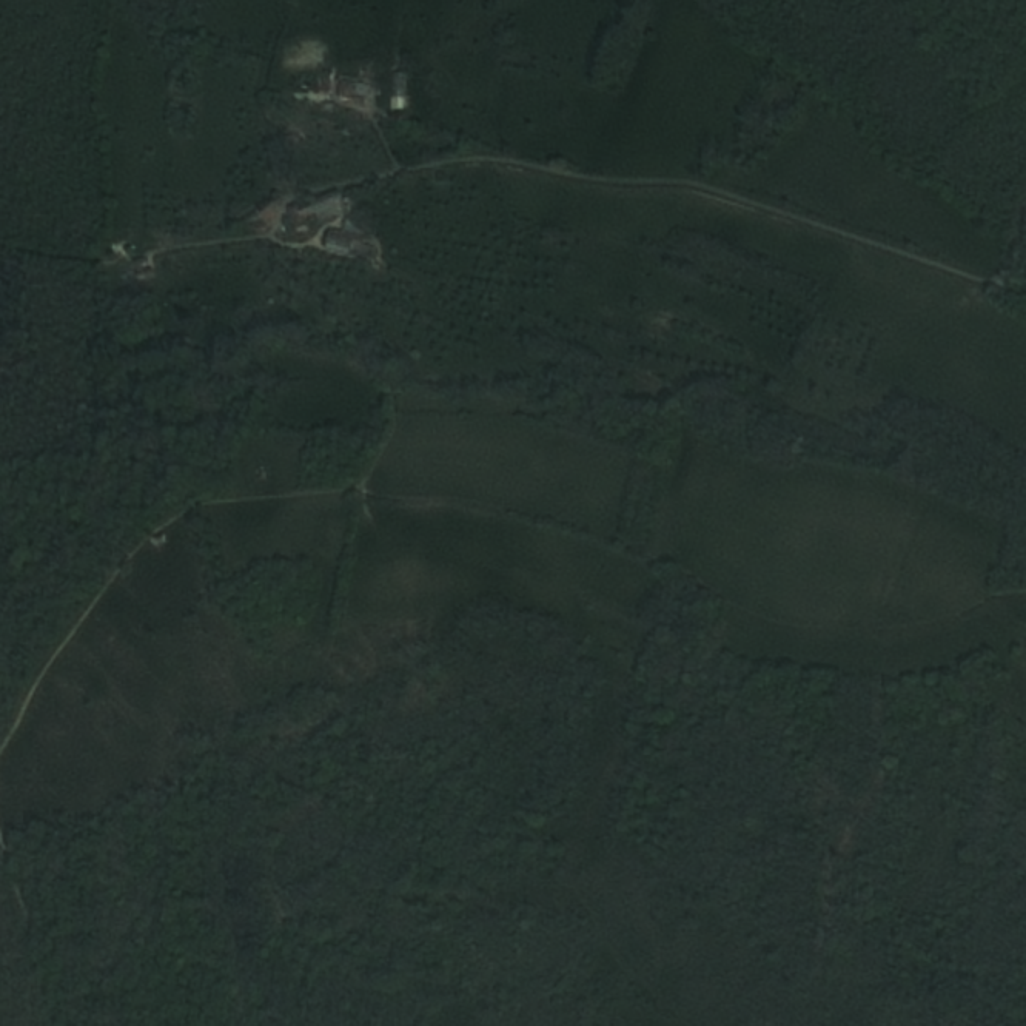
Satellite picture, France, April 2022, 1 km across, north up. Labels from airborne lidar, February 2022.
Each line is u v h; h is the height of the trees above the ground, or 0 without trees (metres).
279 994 26
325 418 0
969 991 27
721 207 0
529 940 19
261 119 0
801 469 0
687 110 0
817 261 0
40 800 0
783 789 24
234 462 8
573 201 0
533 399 14
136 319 24
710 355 0
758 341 0
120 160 0
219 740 27
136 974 29
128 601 0
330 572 0
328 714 23
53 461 20
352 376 0
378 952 25
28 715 0
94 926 22
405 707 25
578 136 0
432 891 27
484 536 0
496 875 30
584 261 0
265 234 0
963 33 22
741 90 0
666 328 0
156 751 0
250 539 0
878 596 0
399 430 0
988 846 28
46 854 24
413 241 0
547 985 9
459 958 15
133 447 28
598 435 17
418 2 0
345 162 0
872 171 0
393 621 0
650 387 0
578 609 0
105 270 12
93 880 27
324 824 31
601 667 8
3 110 13
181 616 0
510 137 0
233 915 20
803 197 0
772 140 10
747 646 0
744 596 0
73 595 22
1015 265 14
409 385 15
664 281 0
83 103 9
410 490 0
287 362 0
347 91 0
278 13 0
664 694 16
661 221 0
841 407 0
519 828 20
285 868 24
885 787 21
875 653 0
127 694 0
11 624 20
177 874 25
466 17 0
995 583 12
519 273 0
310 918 15
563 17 0
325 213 0
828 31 14
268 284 10
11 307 27
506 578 0
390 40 0
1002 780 28
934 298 0
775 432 24
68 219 10
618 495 0
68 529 23
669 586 23
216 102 0
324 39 0
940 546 0
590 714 25
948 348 0
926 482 21
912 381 0
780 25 12
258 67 0
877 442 24
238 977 27
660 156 0
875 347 9
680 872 25
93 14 11
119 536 24
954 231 0
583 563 0
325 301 7
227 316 0
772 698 22
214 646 0
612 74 25
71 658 0
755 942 20
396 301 10
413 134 11
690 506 0
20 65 12
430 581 0
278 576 19
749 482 0
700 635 19
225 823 28
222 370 25
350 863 22
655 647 17
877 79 12
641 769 21
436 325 6
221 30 0
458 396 18
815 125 0
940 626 0
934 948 8
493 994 16
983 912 27
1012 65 23
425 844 29
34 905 19
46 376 17
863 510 0
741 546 0
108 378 21
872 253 0
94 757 0
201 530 22
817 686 21
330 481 8
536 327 0
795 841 26
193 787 18
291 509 0
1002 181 17
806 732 22
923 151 11
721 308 0
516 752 28
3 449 15
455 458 0
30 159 12
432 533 0
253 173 7
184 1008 29
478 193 7
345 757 26
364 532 0
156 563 0
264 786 30
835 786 26
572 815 21
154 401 28
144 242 0
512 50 7
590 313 0
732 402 27
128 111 0
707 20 0
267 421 10
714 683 17
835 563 0
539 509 0
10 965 18
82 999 24
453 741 19
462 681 0
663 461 23
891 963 18
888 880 21
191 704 0
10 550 11
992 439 22
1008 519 17
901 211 0
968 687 22
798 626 0
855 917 17
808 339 17
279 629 0
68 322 19
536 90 0
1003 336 0
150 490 22
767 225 0
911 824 20
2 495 24
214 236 0
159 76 0
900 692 21
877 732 26
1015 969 24
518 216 6
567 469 0
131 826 24
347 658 0
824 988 21
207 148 0
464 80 0
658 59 0
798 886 21
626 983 12
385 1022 27
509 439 0
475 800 27
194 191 0
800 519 0
